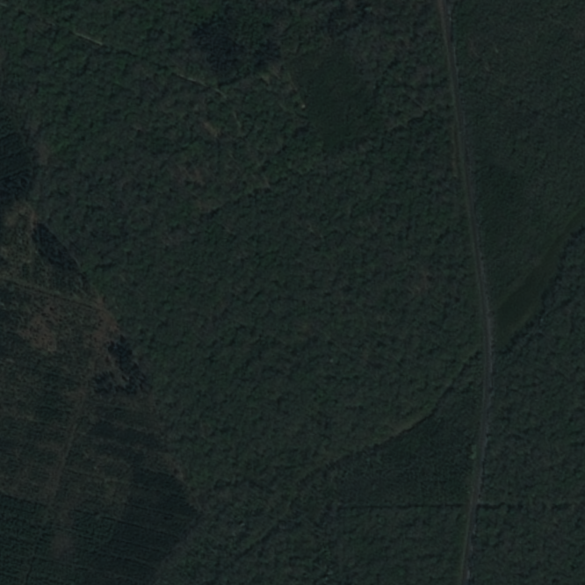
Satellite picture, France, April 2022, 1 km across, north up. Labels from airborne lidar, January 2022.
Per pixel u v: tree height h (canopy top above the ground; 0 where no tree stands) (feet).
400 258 80
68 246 81
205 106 79
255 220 79
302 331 86
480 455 0
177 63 96
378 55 85
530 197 0
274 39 55
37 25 66
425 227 79
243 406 74
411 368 88
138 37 84
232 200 71
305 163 83
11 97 75
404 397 76
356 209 84
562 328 92
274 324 93
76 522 24
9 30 73
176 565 94
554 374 87
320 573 74
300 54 26
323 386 96
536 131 81
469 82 58
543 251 37
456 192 81
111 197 76
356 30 66
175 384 68
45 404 19
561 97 78
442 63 59
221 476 74
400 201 75
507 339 0
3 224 72
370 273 79
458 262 81
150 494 19
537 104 73
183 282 77
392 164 71
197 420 75
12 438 21
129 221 69
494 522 66
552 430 78
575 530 83
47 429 23
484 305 0
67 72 79
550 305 77
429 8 36
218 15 43
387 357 85
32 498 21
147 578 34
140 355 76
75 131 82
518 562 88
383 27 70
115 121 73
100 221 77
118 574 29
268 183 62
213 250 79
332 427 69
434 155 76
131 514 22
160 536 30
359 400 95
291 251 77
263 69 82
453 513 80
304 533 93
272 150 85
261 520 89
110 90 78
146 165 87
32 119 52
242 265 78
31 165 40
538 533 88
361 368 91
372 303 90
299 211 82
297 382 73
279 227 87
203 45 65
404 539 75
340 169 74
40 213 69
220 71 88
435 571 77
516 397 86
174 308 72
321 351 84
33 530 45
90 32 83
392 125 53
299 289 72
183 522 26
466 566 0
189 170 88
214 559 94
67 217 82
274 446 88
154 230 76
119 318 65
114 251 86
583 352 83
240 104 71
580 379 75
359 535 78
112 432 23
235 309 88
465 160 0
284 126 79
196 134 73
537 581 87
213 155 75
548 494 77
